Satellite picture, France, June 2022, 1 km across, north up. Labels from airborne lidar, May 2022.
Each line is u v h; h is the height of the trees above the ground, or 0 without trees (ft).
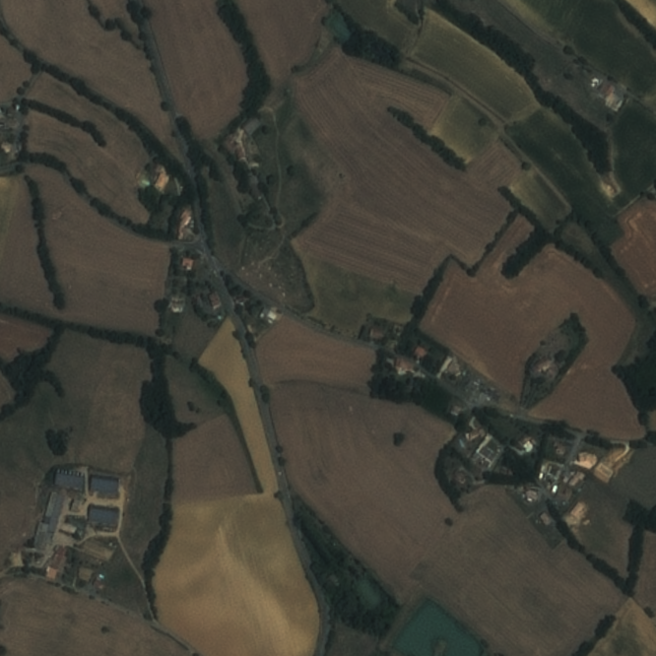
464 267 36
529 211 46
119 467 0
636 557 57
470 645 0
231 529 0
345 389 0
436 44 0
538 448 27
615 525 0
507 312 0
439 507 0
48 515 0
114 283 0
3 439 0
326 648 23
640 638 0
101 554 0
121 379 0
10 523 0
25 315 34
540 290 0
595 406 0
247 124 0
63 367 0
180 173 44
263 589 0
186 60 0
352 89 0
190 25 0
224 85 0
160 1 0
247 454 0
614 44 0
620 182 0
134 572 0
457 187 0
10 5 0
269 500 0
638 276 0
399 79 0
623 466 0
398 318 0
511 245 0
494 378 0
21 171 50
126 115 49
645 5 0
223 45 0
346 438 0
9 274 0
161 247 0
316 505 0
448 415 25
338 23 0
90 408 0
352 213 0
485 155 0
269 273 0
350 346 0
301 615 0
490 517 0
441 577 0
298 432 0
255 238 0
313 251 0
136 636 0
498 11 0
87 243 0
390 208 0
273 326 0
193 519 0
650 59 0
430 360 28
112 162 0
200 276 0
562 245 60
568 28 0
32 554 20
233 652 0
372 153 0
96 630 0
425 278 0
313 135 0
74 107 0
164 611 0
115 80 0
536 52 0
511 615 0
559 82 0
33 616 0
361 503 0
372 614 35
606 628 47
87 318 0
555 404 0
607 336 0
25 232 0
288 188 0
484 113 0
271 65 0
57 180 0
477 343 0
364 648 0
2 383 0
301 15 0
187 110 0
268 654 0
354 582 35
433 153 26
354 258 0
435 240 0
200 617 0
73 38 0
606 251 43
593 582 0
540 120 0
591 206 0
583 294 0
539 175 0
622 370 61
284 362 0
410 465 0
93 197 25
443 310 0
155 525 0
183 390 0
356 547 0
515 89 0
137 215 0
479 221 0
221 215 0
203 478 0
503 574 0
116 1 0
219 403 39
